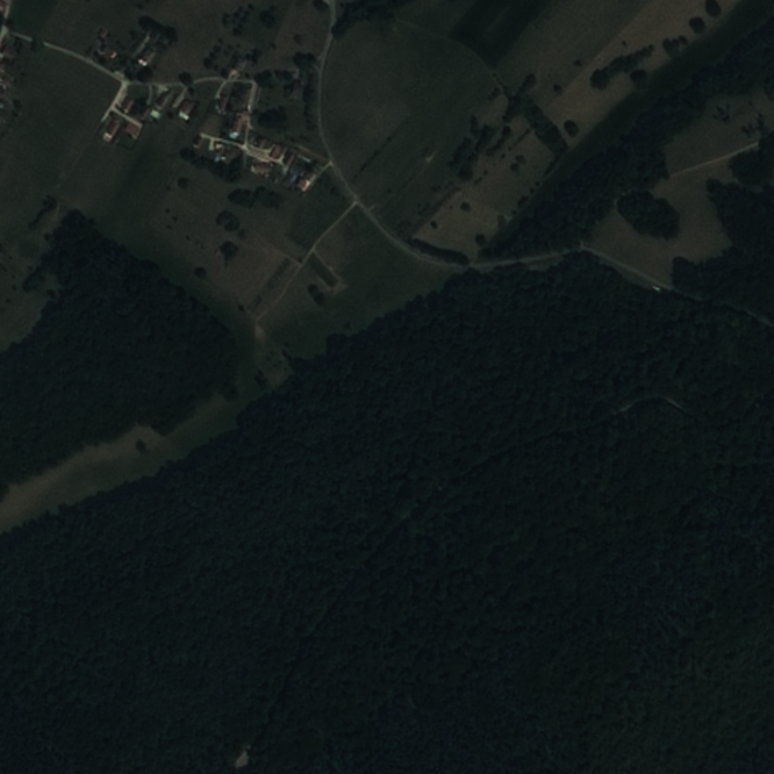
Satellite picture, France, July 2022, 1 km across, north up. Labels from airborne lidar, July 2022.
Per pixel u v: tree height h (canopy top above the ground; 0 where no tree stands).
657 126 25
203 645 19
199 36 0
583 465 29
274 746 16
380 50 0
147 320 22
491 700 24
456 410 31
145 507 21
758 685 15
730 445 21
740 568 8
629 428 24
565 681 21
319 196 0
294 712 18
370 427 24
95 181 0
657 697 13
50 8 0
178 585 17
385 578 22
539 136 15
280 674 14
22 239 0
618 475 27
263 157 0
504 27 0
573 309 22
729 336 27
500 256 13
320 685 20
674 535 18
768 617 7
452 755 21
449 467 17
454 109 0
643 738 17
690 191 0
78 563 22
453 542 30
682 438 17
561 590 30
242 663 20
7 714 18
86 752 19
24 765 19
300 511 20
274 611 20
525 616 24
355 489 21
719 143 0
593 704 22
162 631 20
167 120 0
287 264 0
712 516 16
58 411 11
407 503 21
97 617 24
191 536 20
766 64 18
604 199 16
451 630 31
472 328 26
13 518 0
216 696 18
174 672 16
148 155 0
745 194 29
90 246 7
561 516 26
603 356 26
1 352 0
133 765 14
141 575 26
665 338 27
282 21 0
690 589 25
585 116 0
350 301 0
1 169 0
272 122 15
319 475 19
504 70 0
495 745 24
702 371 22
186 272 0
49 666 20
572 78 0
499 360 25
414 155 0
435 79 0
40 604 25
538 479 28
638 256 0
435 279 0
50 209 9
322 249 0
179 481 23
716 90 19
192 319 24
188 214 0
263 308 0
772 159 21
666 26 0
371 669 21
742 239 23
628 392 22
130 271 24
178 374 13
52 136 0
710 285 27
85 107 0
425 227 0
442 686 26
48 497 0
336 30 11
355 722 19
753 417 20
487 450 22
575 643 18
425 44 0
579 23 0
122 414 20
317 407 12
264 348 0
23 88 0
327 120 0
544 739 28
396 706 30
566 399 28
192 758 14
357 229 0
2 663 29
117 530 20
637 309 29
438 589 34
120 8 0
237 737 19
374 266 0
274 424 23
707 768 14
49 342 14
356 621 21
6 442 14
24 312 0
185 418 13
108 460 0
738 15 0
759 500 10
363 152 0
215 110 0
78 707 24
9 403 17
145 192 0
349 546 24
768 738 18
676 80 0
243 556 17
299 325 0
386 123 0
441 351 23
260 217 0
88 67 0
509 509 25
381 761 19
